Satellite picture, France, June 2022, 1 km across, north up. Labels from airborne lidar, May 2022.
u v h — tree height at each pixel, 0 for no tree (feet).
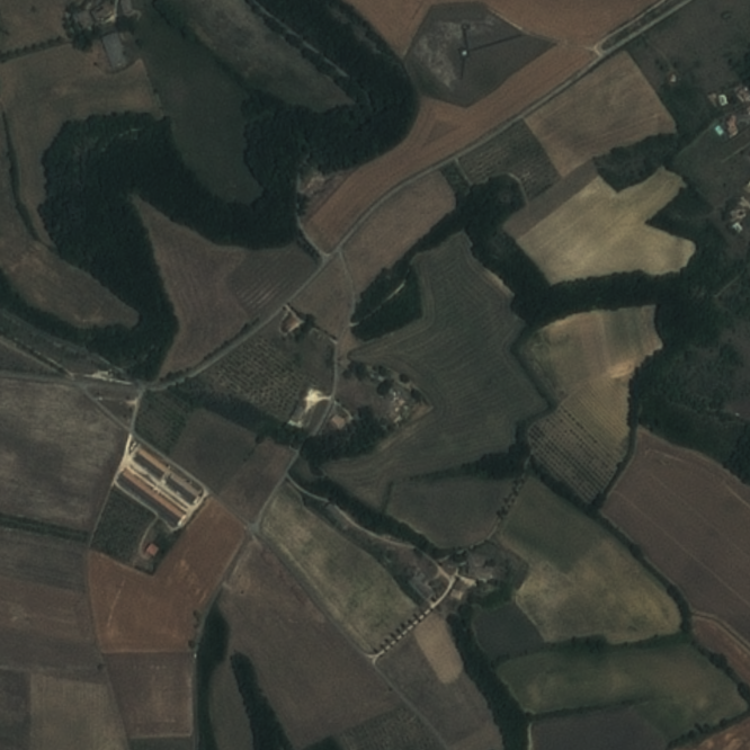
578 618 0
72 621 0
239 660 31
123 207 46
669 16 0
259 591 0
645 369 49
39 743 0
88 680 0
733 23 0
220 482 0
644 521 0
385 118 66
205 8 0
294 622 0
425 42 0
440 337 0
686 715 0
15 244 0
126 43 0
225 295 0
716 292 28
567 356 0
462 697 0
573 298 45
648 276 32
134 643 0
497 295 0
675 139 24
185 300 0
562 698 0
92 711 0
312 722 0
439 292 0
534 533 0
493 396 0
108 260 37
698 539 0
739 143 0
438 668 0
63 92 0
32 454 0
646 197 0
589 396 0
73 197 26
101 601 0
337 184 0
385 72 44
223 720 0
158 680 0
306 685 0
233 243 32
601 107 0
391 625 0
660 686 0
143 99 0
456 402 0
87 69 0
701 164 0
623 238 0
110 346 26
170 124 39
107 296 0
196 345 0
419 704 0
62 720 0
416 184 0
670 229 21
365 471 0
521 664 0
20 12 0
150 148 31
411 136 0
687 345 32
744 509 0
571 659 0
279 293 0
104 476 0
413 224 0
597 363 0
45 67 0
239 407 26
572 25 0
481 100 0
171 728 0
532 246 0
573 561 0
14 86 0
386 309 31
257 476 0
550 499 0
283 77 0
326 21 31
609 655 0
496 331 0
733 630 0
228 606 0
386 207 0
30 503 0
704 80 0
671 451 0
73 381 0
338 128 72
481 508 0
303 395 0
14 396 0
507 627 0
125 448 0
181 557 0
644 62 0
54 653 0
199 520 0
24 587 0
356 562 0
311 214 0
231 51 0
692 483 0
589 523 0
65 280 0
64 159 31
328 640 0
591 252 0
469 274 0
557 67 0
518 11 0
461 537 0
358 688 0
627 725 0
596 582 0
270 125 28
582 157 0
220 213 74
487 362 0
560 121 0
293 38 60
